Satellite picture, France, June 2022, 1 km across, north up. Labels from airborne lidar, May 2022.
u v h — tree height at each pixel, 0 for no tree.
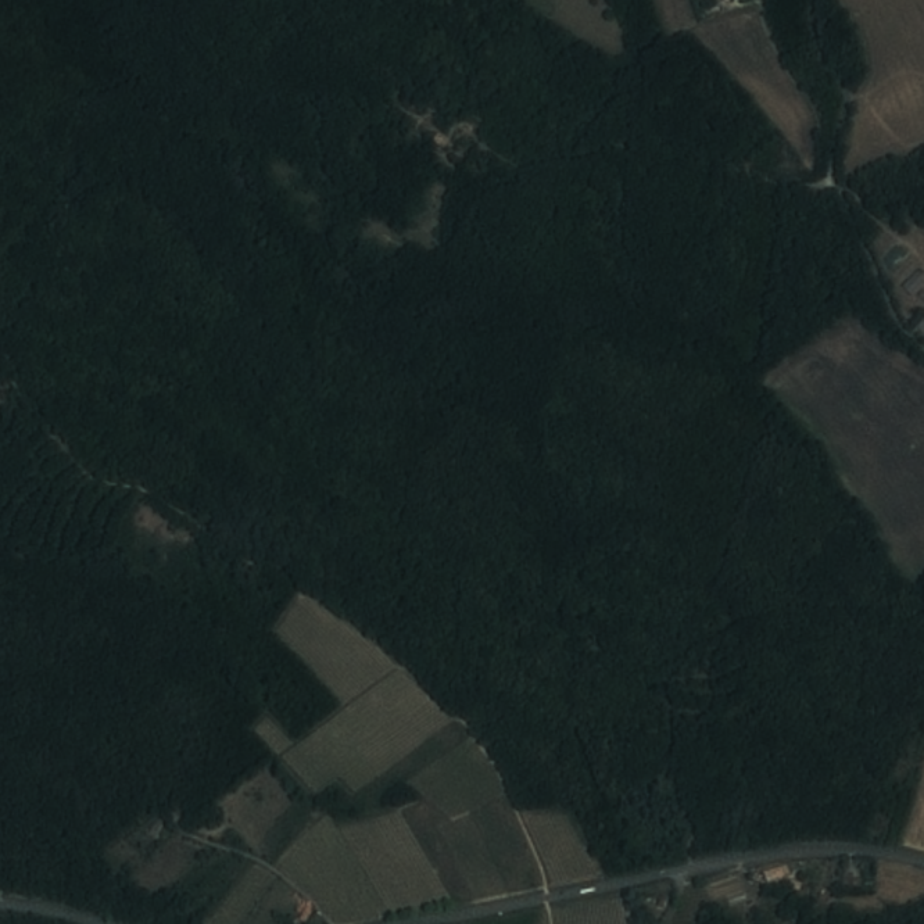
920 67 0
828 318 12
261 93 18
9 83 15
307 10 22
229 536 15
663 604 14
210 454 21
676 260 21
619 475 17
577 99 8
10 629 15
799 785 13
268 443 16
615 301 16
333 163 18
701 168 19
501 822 0
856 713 16
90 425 17
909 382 0
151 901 20
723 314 15
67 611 14
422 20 19
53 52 10
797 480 20
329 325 10
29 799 15
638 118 21
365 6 19
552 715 19
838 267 16
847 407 0
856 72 17
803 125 0
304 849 0
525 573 18
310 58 16
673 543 13
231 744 8
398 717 0
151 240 24
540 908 0
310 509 16
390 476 8
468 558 16
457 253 22
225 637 6
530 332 22
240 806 0
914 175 17
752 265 8
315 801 12
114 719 18
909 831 0
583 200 16
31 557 19
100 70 10
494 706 17
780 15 9
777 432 19
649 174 26
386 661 0
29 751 12
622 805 14
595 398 18
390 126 9
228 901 0
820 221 19
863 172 18
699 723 17
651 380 20
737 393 20
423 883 0
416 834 0
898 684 13
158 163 18
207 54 25
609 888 0
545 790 19
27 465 13
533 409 19
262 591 15
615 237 26
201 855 13
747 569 18
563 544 20
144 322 15
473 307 21
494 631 18
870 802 15
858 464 0
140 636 14
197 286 22
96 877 16
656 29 6
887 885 0
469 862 0
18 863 11
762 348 16
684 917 0
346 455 15
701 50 14
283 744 0
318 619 0
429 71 22
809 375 0
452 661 8
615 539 19
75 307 16
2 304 20
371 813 0
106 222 18
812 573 15
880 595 20
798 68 13
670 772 12
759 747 18
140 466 11
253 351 25
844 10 16
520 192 17
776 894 17
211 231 20
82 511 16
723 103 15
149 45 19
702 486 8
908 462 0
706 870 0
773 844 11
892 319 8
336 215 12
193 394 19
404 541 10
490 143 5
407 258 17
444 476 17
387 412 14
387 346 18
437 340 24
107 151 16
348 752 0
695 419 10
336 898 0
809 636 21
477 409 16
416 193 12
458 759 0
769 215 9
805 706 18
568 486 15
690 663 12
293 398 14
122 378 19
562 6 0
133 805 13
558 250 16
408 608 19
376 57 14
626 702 12
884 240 0
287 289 27
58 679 13
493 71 9
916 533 0
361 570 20
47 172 20
